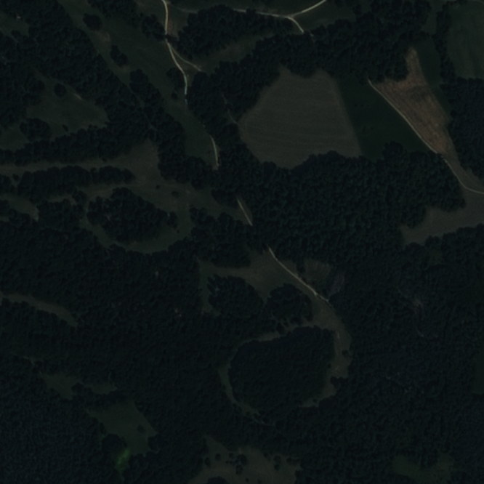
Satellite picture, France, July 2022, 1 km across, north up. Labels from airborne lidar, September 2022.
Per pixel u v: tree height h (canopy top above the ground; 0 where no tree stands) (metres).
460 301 14
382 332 15
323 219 32
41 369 21
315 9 0
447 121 0
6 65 25
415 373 15
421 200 26
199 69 0
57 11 25
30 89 29
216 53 0
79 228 22
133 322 26
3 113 26
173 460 31
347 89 0
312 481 23
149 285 23
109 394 0
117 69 0
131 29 0
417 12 30
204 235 26
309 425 7
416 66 0
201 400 26
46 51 29
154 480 31
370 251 29
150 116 29
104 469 24
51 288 26
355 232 28
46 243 27
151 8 0
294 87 0
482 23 0
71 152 22
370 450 11
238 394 24
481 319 18
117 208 26
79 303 24
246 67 27
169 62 0
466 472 9
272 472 0
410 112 0
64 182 23
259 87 23
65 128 17
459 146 11
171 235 0
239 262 20
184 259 24
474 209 0
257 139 0
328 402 22
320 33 24
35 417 31
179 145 25
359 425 28
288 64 14
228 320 20
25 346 24
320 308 0
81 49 29
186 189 0
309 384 27
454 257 24
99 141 24
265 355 25
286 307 27
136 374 25
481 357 0
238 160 26
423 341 18
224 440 27
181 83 18
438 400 26
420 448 18
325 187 26
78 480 29
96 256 22
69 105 0
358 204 27
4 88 22
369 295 12
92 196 0
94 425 24
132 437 0
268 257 0
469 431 19
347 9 0
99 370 19
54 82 0
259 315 22
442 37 6
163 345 28
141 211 29
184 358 32
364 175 24
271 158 0
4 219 0
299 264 21
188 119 0
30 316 10
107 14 27
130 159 0
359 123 0
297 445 24
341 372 0
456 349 27
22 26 0
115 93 26
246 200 20
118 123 24
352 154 0
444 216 0
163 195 0
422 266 19
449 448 22
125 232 19
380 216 31
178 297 27
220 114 7
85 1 0
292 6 0
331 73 21
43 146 21
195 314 27
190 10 0
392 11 27
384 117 0
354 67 27
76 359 22
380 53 25
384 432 28
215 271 0
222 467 0
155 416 20
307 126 0
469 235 17
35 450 11
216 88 28
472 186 0
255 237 22
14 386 25
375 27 16
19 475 25
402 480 16
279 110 0
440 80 0
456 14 0
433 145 0
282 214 9
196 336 27
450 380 26
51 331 18
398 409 28
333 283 24
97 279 25
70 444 30
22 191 19
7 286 26
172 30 0
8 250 27
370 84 0
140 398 20
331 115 0
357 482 25
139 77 29
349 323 13
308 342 28
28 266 30
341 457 23
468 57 0
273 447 25
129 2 28
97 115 0
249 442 22
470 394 24
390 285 16
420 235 0
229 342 26
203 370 26
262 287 0
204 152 0
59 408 22
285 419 16
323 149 0
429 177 25
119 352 26
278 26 23
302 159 0
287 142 0
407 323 13
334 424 24
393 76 14
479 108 22
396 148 25
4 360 21
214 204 0
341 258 31
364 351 14
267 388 21
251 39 0
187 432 27
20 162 24
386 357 19
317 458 26
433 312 19
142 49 0
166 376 27
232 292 23
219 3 0
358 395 18
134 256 28
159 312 29
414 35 25
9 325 28
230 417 18
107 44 0
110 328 25
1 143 0
